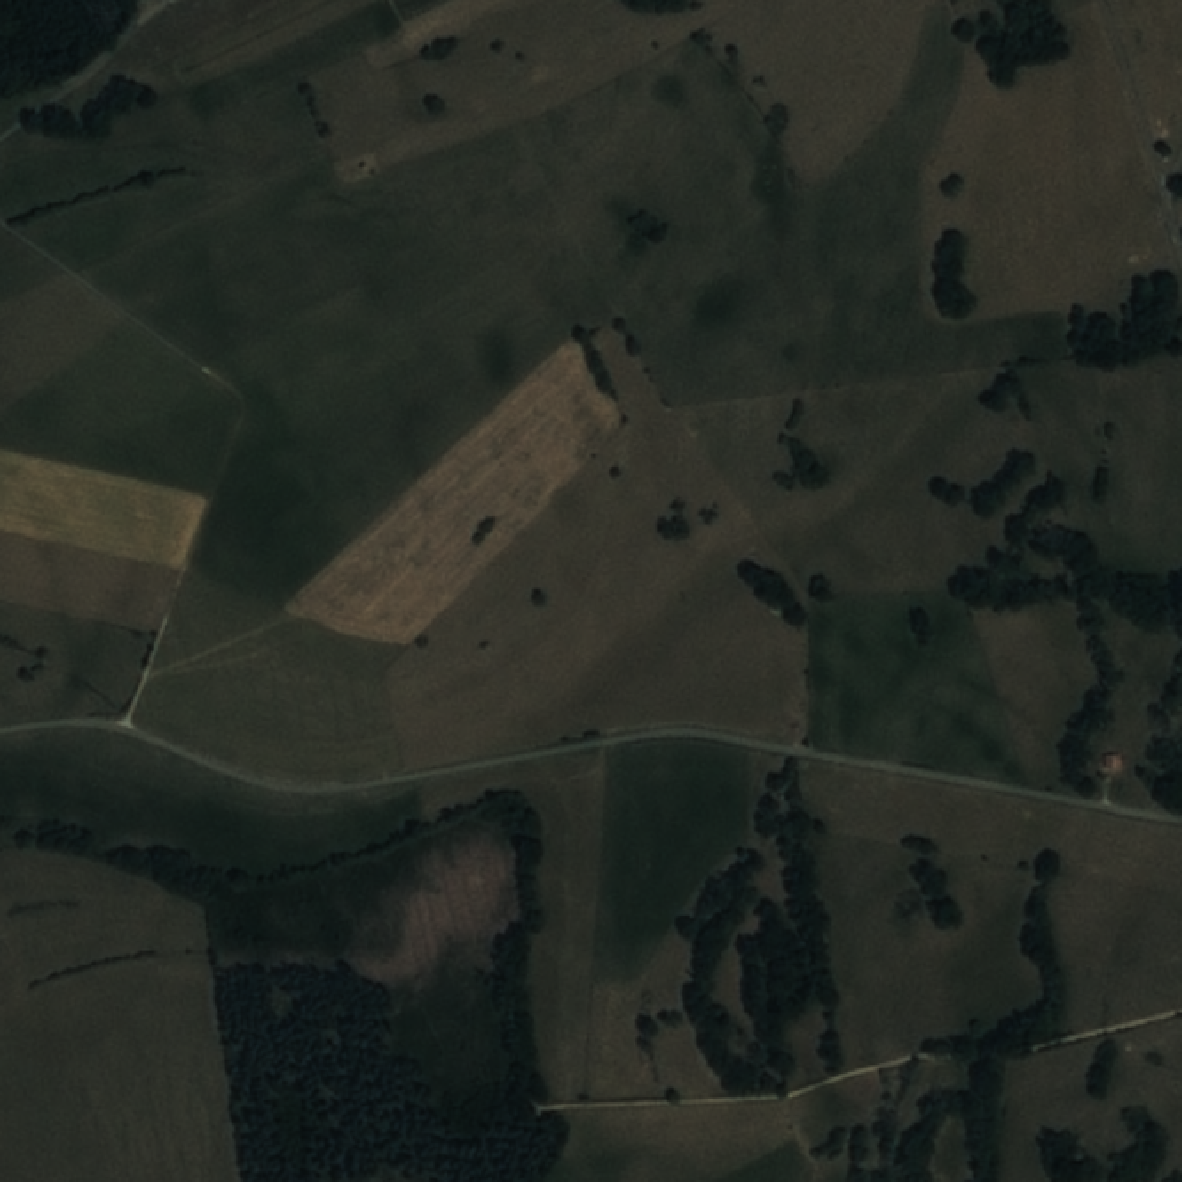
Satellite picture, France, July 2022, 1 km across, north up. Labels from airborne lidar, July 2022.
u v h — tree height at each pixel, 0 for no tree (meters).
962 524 0
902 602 0
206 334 0
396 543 0
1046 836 0
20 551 0
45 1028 0
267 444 0
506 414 0
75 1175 0
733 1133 0
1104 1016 0
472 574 0
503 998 17
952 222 0
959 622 0
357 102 0
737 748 0
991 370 0
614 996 0
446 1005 0
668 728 0
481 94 0
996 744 0
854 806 0
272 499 0
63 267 0
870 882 0
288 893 0
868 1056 0
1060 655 0
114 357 0
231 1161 0
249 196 0
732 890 18
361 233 0
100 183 0
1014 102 0
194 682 0
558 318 0
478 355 0
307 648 0
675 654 0
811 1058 0
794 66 0
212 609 0
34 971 0
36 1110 0
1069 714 0
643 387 0
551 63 0
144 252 0
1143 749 0
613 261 0
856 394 0
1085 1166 10
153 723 0
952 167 0
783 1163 0
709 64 0
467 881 0
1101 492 8
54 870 0
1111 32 0
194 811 0
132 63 0
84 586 0
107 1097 0
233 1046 16
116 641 0
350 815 0
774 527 0
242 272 0
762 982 22
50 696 0
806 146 0
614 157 0
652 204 0
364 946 0
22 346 0
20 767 0
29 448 0
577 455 0
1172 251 0
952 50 0
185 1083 0
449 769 0
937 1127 20
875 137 0
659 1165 0
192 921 0
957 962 0
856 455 0
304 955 0
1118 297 0
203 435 0
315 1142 18
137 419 0
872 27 0
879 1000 0
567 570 0
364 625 0
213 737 0
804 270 0
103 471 0
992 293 0
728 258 0
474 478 0
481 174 0
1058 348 0
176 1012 0
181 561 0
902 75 0
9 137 0
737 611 0
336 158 0
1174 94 0
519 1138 23
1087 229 0
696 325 0
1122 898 0
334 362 0
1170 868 0
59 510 0
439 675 0
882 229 0
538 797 0
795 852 14
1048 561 12
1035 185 0
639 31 0
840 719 0
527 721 0
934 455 0
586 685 0
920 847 13
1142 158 0
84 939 0
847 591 0
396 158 0
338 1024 17
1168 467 0
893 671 0
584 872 0
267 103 0
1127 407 0
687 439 0
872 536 0
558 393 0
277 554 0
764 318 0
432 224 0
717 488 0
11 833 0
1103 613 18
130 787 0
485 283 0
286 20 0
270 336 0
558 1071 0
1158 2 0
